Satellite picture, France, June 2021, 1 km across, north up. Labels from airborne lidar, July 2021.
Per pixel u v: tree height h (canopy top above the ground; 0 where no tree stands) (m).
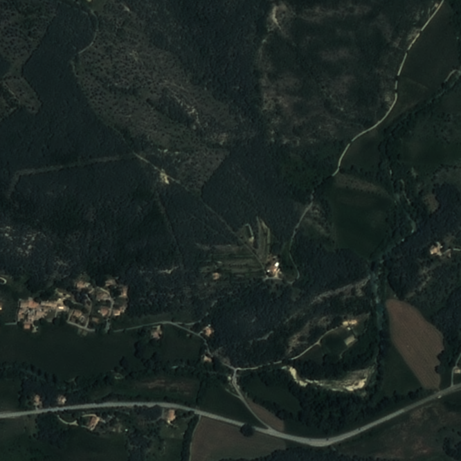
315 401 7
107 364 0
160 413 6
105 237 11
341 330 0
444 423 0
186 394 0
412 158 0
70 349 0
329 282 11
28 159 15
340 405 29
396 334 0
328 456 7
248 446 0
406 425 0
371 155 0
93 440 0
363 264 18
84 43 7
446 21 0
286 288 8
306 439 0
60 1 10
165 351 0
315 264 10
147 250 13
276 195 10
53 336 0
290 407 0
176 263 9
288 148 10
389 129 12
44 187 12
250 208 7
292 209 8
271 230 8
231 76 8
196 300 11
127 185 10
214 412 0
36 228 8
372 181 6
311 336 9
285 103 0
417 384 0
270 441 0
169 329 0
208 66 12
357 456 11
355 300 10
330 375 23
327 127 0
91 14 7
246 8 11
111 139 9
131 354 0
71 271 11
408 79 0
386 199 0
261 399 7
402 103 0
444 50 0
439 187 12
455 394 0
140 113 0
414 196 6
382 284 6
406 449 0
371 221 0
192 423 10
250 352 10
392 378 0
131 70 7
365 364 17
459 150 0
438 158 0
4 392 0
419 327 0
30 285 14
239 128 7
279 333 8
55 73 11
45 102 11
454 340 12
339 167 6
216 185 9
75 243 11
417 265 6
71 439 0
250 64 8
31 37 13
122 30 7
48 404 9
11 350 0
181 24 9
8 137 14
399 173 6
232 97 13
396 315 0
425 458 0
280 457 18
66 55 9
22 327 10
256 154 12
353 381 0
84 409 6
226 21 9
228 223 6
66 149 18
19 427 0
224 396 0
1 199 11
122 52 7
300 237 7
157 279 11
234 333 9
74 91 11
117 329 0
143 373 12
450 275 9
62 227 8
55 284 10
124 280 13
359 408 19
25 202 10
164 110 9
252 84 7
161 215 11
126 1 7
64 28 8
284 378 14
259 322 6
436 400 0
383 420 0
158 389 0
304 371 14
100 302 7
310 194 11
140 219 10
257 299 11
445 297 6
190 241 11
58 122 11
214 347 13
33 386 19
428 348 0
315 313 11
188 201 10
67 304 15
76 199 16
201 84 8
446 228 10
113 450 0
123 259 11
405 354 0
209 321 10
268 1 7
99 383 18
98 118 9
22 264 9
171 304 11
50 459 7
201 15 8
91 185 17
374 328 11
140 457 8
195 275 9
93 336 0
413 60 0
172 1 10
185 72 8
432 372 0
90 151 15
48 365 0
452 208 14
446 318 11
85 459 0
